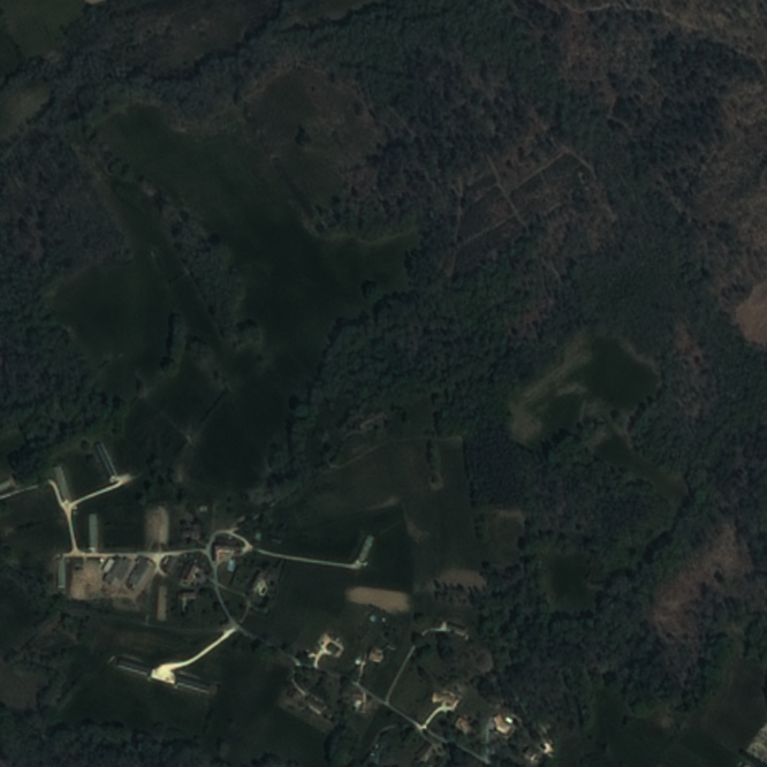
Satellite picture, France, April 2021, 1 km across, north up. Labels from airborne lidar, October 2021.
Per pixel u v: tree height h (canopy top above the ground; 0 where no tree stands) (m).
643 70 9
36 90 0
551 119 25
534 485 10
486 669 15
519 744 13
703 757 0
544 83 23
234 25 0
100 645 0
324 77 0
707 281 19
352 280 0
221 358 0
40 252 15
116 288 0
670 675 31
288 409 0
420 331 15
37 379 11
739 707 0
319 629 0
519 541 0
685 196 25
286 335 0
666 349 12
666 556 26
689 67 17
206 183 0
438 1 16
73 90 16
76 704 0
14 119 0
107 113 12
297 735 0
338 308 0
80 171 22
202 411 0
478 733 10
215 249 20
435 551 0
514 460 23
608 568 13
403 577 0
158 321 0
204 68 18
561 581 0
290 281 0
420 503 0
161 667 0
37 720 24
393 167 22
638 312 16
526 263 15
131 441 0
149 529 0
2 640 0
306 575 0
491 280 20
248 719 0
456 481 0
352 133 0
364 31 20
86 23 6
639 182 22
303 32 19
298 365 0
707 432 24
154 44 8
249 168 0
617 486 22
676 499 0
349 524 0
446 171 20
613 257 14
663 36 8
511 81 14
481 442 20
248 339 18
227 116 0
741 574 0
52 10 0
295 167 0
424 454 0
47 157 18
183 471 0
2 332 17
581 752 0
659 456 17
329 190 0
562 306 20
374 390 20
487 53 21
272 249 0
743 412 23
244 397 0
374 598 0
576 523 17
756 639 20
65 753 18
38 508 0
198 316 0
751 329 0
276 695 0
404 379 18
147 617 0
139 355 0
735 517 17
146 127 0
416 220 10
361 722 0
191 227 24
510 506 22
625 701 16
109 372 0
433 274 26
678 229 13
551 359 18
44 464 20
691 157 19
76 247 14
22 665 12
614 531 27
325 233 18
